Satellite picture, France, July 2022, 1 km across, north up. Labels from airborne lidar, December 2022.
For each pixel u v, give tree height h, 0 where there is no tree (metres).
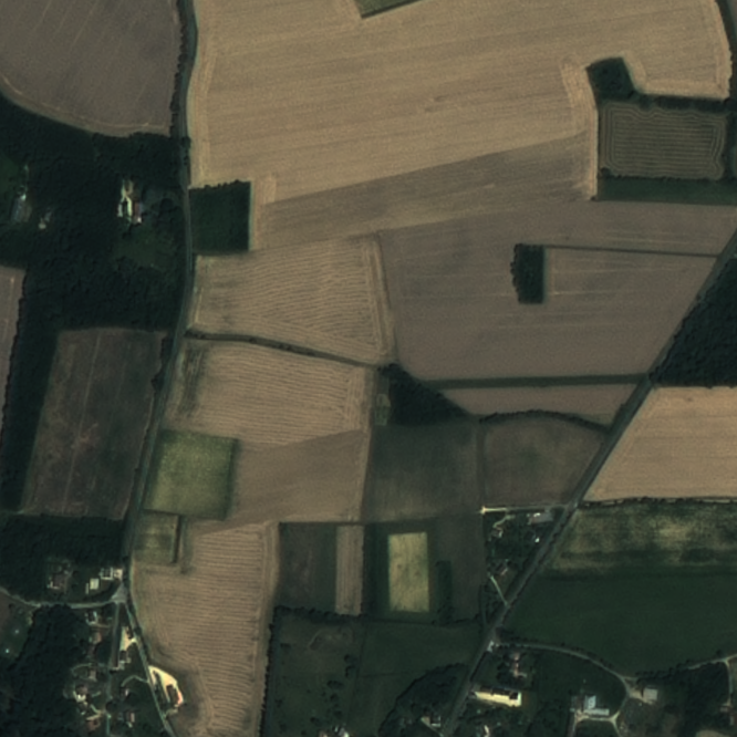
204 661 0
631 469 0
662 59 0
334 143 0
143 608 0
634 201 0
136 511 0
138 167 12
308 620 11
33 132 13
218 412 0
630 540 0
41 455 0
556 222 0
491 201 0
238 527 0
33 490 0
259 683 0
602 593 0
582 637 0
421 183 0
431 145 0
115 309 20
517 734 0
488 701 0
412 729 11
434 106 0
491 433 0
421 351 0
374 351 0
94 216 14
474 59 0
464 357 0
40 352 22
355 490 0
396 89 0
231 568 0
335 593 0
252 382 0
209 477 0
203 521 0
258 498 0
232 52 0
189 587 0
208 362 0
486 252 0
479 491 0
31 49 0
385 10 0
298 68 0
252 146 0
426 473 0
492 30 0
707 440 0
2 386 0
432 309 0
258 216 0
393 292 0
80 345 0
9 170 0
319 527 0
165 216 14
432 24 0
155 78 0
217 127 0
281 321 0
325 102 0
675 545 0
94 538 12
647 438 0
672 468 0
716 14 0
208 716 0
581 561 0
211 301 0
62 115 0
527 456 0
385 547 0
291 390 0
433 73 0
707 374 15
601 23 0
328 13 0
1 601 0
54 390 0
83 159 11
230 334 0
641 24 0
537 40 0
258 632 0
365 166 0
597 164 0
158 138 12
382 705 0
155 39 0
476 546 0
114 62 0
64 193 11
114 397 0
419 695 14
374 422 0
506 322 0
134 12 0
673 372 22
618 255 0
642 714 0
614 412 0
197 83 0
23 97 0
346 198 0
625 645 0
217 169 0
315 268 0
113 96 0
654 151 0
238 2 0
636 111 0
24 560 9
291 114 0
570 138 0
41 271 13
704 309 19
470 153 0
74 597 0
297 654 0
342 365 0
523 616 0
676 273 0
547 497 0
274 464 0
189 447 0
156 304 11
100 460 0
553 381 0
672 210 0
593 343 0
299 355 0
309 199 0
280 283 0
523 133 0
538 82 0
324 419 0
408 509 0
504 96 0
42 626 22
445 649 0
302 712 0
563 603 0
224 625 0
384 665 0
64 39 0
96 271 18
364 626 7
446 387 0
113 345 0
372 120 0
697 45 0
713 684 6
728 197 0
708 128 0
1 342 0
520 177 0
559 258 0
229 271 0
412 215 0
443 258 0
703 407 0
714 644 0
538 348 0
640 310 0
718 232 0
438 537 0
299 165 0
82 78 0
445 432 0
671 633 0
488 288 0
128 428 0
